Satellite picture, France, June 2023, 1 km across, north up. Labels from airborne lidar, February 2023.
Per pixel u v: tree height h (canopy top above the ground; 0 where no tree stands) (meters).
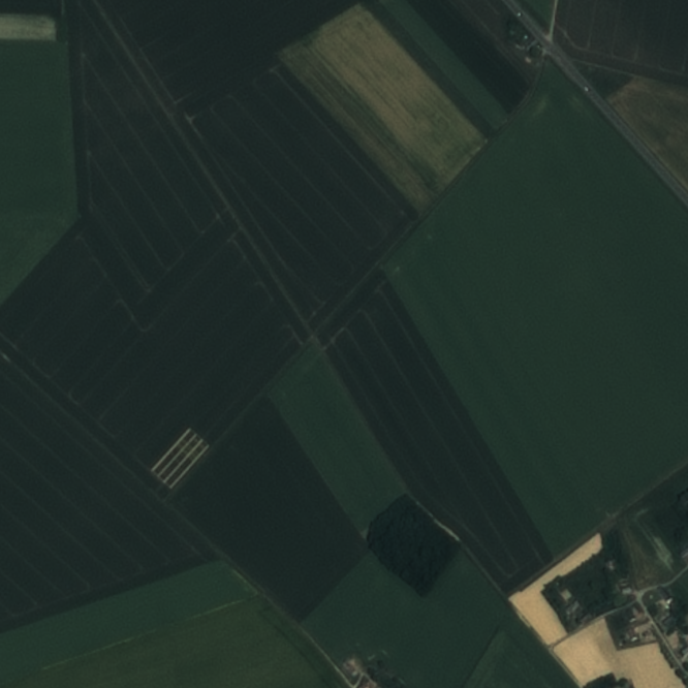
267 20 0
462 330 0
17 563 0
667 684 0
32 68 0
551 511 0
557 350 0
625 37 0
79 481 0
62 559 0
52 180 0
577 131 0
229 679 0
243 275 0
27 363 0
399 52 0
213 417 0
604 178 0
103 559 0
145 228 0
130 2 0
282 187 0
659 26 0
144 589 0
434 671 0
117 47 0
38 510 0
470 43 0
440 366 0
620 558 8
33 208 0
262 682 0
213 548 0
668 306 0
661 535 0
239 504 0
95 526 0
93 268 0
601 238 0
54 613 0
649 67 0
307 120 0
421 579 8
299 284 0
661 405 0
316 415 0
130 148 0
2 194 0
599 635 0
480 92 0
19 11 0
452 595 0
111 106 0
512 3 0
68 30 0
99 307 0
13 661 0
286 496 0
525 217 0
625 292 0
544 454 0
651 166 0
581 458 0
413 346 0
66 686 0
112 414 0
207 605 0
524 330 0
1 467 0
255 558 0
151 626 0
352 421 0
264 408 0
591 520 0
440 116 0
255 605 0
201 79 0
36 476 0
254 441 0
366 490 0
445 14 0
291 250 0
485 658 0
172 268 0
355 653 0
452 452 0
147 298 0
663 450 0
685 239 0
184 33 0
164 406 0
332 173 0
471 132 0
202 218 0
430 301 0
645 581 0
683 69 0
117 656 0
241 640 0
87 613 0
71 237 0
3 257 0
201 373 0
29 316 0
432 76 0
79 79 0
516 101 0
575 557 0
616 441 0
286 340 0
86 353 0
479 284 0
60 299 0
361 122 0
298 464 0
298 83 0
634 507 0
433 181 0
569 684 0
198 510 0
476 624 0
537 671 0
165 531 0
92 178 0
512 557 0
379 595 0
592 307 0
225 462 0
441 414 0
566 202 0
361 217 0
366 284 0
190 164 0
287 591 0
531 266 0
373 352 0
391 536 15
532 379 0
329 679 0
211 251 0
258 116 0
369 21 0
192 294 0
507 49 0
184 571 0
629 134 0
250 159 0
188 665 0
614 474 0
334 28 0
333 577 0
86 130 0
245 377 0
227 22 0
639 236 0
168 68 0
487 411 0
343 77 0
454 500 0
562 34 0
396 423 0
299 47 0
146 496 0
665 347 0
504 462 0
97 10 0
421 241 0
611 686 7
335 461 0
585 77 0
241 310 0
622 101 0
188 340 0
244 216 0
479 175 0
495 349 0
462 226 0
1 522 0
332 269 0
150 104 0
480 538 0
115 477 0
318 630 0
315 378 0
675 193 0
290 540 0
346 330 0
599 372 0
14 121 0
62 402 0
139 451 0
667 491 0
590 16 0
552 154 0
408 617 0
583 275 0
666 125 0
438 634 0
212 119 0
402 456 0
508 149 0
